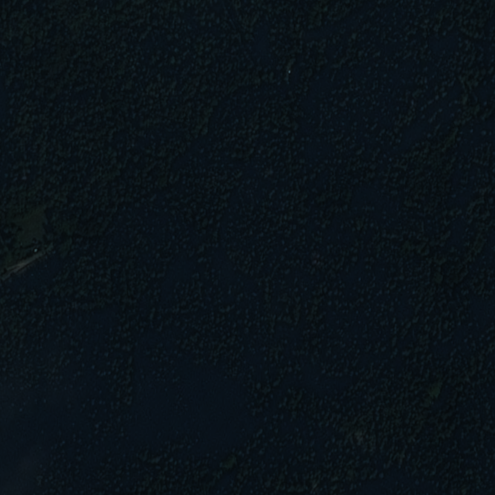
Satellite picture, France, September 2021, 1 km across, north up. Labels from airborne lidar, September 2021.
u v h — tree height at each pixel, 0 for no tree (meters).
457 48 25
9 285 0
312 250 23
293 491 18
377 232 25
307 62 18
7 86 20
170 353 30
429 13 17
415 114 14
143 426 32
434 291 28
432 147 27
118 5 27
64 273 22
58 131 29
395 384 22
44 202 13
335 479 12
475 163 24
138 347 17
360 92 27
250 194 23
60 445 36
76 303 19
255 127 24
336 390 23
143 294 18
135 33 26
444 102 7
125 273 20
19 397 6
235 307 32
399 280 28
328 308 7
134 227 22
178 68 20
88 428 31
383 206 14
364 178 24
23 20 22
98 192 25
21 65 32
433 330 32
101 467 29
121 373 23
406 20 31
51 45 29
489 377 20
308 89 10
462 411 12
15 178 24
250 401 28
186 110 26
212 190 27
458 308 17
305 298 22
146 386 26
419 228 34
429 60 19
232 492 29
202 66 19
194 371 25
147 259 20
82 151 25
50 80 28
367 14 25
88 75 21
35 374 21
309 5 21
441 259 23
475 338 8
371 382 15
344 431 20
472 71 30
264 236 24
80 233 26
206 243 25
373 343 25
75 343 27
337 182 26
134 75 22
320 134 26
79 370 24
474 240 32
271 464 27
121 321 37
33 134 22
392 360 30
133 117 26
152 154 26
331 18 19
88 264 13
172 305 22
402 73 30
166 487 26
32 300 20
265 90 16
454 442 18
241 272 29
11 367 19
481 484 21
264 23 19
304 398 14
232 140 26
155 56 30
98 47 28
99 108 24
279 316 27
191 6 19
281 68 20
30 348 27
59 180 29
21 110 23
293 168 27
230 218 18
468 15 25
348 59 25
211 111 13
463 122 19
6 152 21
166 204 25
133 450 24
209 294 30
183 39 26
